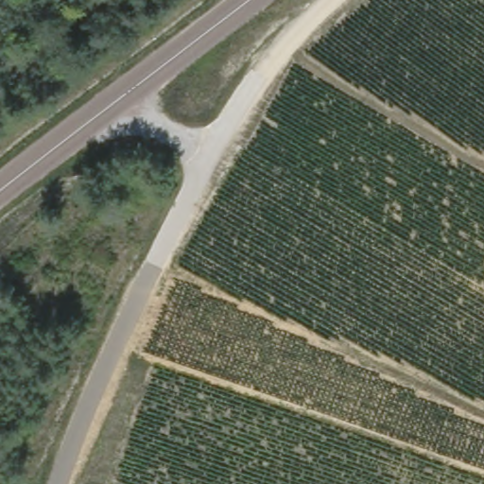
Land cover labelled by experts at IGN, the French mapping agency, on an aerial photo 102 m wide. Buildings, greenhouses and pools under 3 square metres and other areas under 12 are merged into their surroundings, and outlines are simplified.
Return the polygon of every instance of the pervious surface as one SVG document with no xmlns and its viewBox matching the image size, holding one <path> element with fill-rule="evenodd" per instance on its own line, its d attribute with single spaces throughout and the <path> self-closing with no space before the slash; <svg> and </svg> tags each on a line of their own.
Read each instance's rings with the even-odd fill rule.
<svg viewBox="0 0 484 484">
<path fill-rule="evenodd" d="M 299 15 L 291 26 L 287 26 L 268 47 L 261 62 L 238 83 L 225 108 L 206 127 L 185 127 L 172 121 L 163 113 L 161 96 L 157 98 L 149 93 L 144 102 L 127 108 L 127 112 L 117 117 L 121 125 L 129 125 L 134 119 L 146 121 L 147 125 L 164 130 L 170 142 L 180 146 L 183 183 L 172 206 L 164 217 L 163 225 L 155 236 L 146 259 L 151 265 L 161 267 L 161 276 L 166 272 L 166 268 L 170 267 L 172 257 L 176 255 L 197 229 L 204 212 L 200 208 L 200 199 L 210 183 L 214 166 L 219 161 L 221 153 L 238 132 L 246 129 L 257 104 L 265 96 L 265 91 L 287 66 L 289 64 L 293 53 L 308 42 L 312 32 L 320 28 L 323 21 L 327 21 L 348 0 L 314 0 L 312 4 L 306 4 L 304 13 Z"/>
<path fill-rule="evenodd" d="M 153 291 L 149 293 L 140 320 L 134 325 L 127 344 L 123 346 L 113 365 L 112 376 L 106 384 L 100 403 L 96 406 L 85 439 L 79 446 L 78 459 L 72 467 L 68 484 L 76 484 L 76 478 L 95 444 L 102 422 L 108 410 L 112 408 L 113 395 L 119 388 L 121 376 L 127 371 L 129 357 L 132 354 L 136 346 L 146 348 L 164 301 Z"/>
</svg>

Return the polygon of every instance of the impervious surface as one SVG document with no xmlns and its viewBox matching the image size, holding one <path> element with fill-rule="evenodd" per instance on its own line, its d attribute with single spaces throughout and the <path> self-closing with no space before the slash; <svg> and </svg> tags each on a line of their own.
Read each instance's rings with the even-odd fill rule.
<svg viewBox="0 0 484 484">
<path fill-rule="evenodd" d="M 113 130 L 119 129 L 121 125 L 117 117 L 127 112 L 127 108 L 144 102 L 149 93 L 157 98 L 161 96 L 166 85 L 170 85 L 178 78 L 183 70 L 187 70 L 212 47 L 216 47 L 217 43 L 223 42 L 236 28 L 248 23 L 261 11 L 265 11 L 268 4 L 274 0 L 219 0 L 206 13 L 202 13 L 195 21 L 191 21 L 180 30 L 174 38 L 170 38 L 157 51 L 149 53 L 146 59 L 140 60 L 129 72 L 119 76 L 104 91 L 93 96 L 76 112 L 70 113 L 57 127 L 43 134 L 40 140 L 30 144 L 23 153 L 19 153 L 15 159 L 11 159 L 0 168 L 0 210 L 11 200 L 17 199 L 21 193 L 25 193 L 34 183 L 45 180 L 55 168 L 59 168 L 60 164 L 72 159 L 81 149 L 87 147 L 89 142 L 106 140 Z"/>
<path fill-rule="evenodd" d="M 151 265 L 146 259 L 127 285 L 106 338 L 93 361 L 93 367 L 85 378 L 85 386 L 79 393 L 72 418 L 66 425 L 47 484 L 68 484 L 72 467 L 78 459 L 79 446 L 85 439 L 96 406 L 100 403 L 106 384 L 112 376 L 113 365 L 123 346 L 127 344 L 134 325 L 140 320 L 149 293 L 153 291 L 161 276 L 161 267 Z"/>
</svg>

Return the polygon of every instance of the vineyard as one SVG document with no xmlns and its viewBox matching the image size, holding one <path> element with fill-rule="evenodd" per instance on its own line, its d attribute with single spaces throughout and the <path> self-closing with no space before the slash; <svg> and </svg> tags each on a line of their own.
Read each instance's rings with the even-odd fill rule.
<svg viewBox="0 0 484 484">
<path fill-rule="evenodd" d="M 427 123 L 450 136 L 454 142 L 461 146 L 471 146 L 476 151 L 484 153 L 484 0 L 369 0 L 367 6 L 361 6 L 355 13 L 348 15 L 340 25 L 333 26 L 318 42 L 310 43 L 310 55 L 323 62 L 333 72 L 337 72 L 340 78 L 354 83 L 355 87 L 367 89 L 372 95 L 405 113 L 420 115 Z"/>
<path fill-rule="evenodd" d="M 146 348 L 136 346 L 132 354 L 138 355 L 147 363 L 157 363 L 157 367 L 147 386 L 146 397 L 140 405 L 136 423 L 130 431 L 125 458 L 119 463 L 119 484 L 484 484 L 484 422 L 461 418 L 446 406 L 416 397 L 412 389 L 382 380 L 378 372 L 346 363 L 342 355 L 320 350 L 304 337 L 282 331 L 274 327 L 270 321 L 244 312 L 231 302 L 221 301 L 217 297 L 202 293 L 199 285 L 180 280 L 170 287 L 168 297 L 164 301 Z"/>
<path fill-rule="evenodd" d="M 320 337 L 331 340 L 348 338 L 363 346 L 365 350 L 371 350 L 372 354 L 384 354 L 395 361 L 406 361 L 412 367 L 441 380 L 442 384 L 458 389 L 459 393 L 471 399 L 484 401 L 484 168 L 478 170 L 465 161 L 458 161 L 458 164 L 450 163 L 450 155 L 446 149 L 435 146 L 423 138 L 416 138 L 410 130 L 397 123 L 388 123 L 384 113 L 372 110 L 371 106 L 363 104 L 359 98 L 346 95 L 344 91 L 323 79 L 312 78 L 312 74 L 302 66 L 289 64 L 287 66 L 289 70 L 280 87 L 280 95 L 272 100 L 268 108 L 268 117 L 274 119 L 278 125 L 261 125 L 250 146 L 244 147 L 234 159 L 227 178 L 221 183 L 210 208 L 204 212 L 197 229 L 176 255 L 181 268 L 197 274 L 236 299 L 253 302 L 265 308 L 270 314 L 282 320 L 295 321 Z"/>
</svg>

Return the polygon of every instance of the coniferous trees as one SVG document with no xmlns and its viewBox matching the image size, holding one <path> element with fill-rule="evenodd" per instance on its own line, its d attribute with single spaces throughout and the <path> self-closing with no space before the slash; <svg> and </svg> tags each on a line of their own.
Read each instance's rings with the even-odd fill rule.
<svg viewBox="0 0 484 484">
<path fill-rule="evenodd" d="M 0 257 L 0 476 L 11 478 L 25 473 L 28 439 L 25 437 L 25 431 L 32 423 L 42 422 L 43 412 L 49 406 L 43 391 L 51 386 L 49 376 L 59 378 L 64 374 L 70 374 L 70 346 L 76 338 L 81 337 L 87 325 L 95 323 L 95 318 L 87 318 L 87 308 L 81 304 L 81 295 L 74 289 L 74 285 L 68 285 L 60 293 L 32 293 L 32 287 L 25 282 L 25 272 L 13 268 L 6 257 Z"/>
<path fill-rule="evenodd" d="M 91 199 L 93 208 L 102 210 L 112 200 L 125 202 L 129 197 L 144 195 L 166 199 L 172 206 L 183 183 L 180 146 L 170 142 L 164 130 L 147 125 L 146 121 L 134 119 L 129 125 L 121 125 L 119 129 L 113 130 L 106 140 L 89 142 L 87 147 L 81 149 L 72 159 L 74 174 L 78 176 L 79 191 L 83 191 Z"/>
<path fill-rule="evenodd" d="M 76 91 L 79 85 L 93 78 L 91 70 L 98 57 L 108 55 L 106 47 L 91 45 L 91 38 L 123 36 L 129 40 L 140 40 L 142 36 L 136 30 L 121 23 L 125 15 L 129 19 L 134 19 L 144 15 L 157 15 L 164 9 L 178 8 L 180 0 L 0 0 L 0 113 L 6 108 L 9 108 L 9 113 L 32 110 L 45 104 L 45 98 L 49 96 L 66 95 L 68 91 Z"/>
</svg>

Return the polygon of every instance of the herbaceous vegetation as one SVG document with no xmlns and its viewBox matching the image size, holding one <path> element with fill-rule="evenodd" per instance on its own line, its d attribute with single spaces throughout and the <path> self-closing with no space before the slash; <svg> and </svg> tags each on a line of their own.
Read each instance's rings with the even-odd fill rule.
<svg viewBox="0 0 484 484">
<path fill-rule="evenodd" d="M 127 285 L 146 259 L 155 236 L 163 225 L 164 217 L 172 206 L 166 199 L 144 195 L 129 197 L 125 202 L 112 200 L 102 210 L 93 208 L 91 199 L 83 191 L 79 191 L 78 176 L 74 174 L 72 159 L 60 164 L 59 168 L 55 168 L 45 180 L 34 183 L 25 193 L 21 193 L 17 199 L 11 200 L 0 210 L 0 257 L 6 257 L 13 268 L 25 272 L 25 282 L 32 287 L 32 293 L 60 293 L 68 285 L 74 285 L 74 289 L 81 295 L 81 304 L 87 308 L 87 318 L 95 318 L 95 323 L 87 325 L 81 337 L 76 338 L 70 346 L 70 374 L 64 374 L 59 378 L 49 376 L 51 386 L 43 391 L 49 406 L 43 412 L 42 422 L 32 423 L 25 431 L 25 437 L 28 439 L 25 473 L 11 478 L 0 476 L 0 484 L 47 484 L 66 425 L 72 418 L 79 393 L 85 386 L 85 378 L 93 367 L 93 361 L 106 338 Z"/>
<path fill-rule="evenodd" d="M 76 112 L 93 96 L 104 91 L 119 76 L 129 72 L 140 60 L 146 59 L 149 53 L 157 51 L 170 38 L 174 38 L 180 30 L 191 21 L 195 21 L 202 13 L 206 13 L 219 0 L 180 0 L 178 8 L 164 9 L 157 15 L 144 15 L 134 19 L 129 19 L 125 15 L 121 23 L 136 30 L 142 36 L 140 40 L 129 40 L 123 36 L 91 38 L 91 45 L 106 47 L 108 55 L 98 57 L 91 70 L 93 78 L 79 85 L 76 91 L 68 91 L 66 95 L 49 96 L 45 98 L 45 104 L 32 110 L 9 113 L 9 108 L 6 108 L 0 113 L 0 168 L 11 159 L 15 159 L 19 153 L 23 153 L 30 144 L 40 140 L 43 134 L 57 127 L 70 113 Z"/>
<path fill-rule="evenodd" d="M 299 15 L 304 13 L 306 4 L 312 4 L 314 0 L 274 0 L 268 4 L 265 11 L 261 11 L 248 23 L 236 28 L 223 42 L 217 43 L 216 47 L 212 47 L 187 70 L 183 70 L 178 78 L 170 85 L 166 85 L 161 96 L 163 113 L 172 121 L 185 127 L 206 127 L 225 108 L 238 83 L 261 62 L 268 47 L 287 26 L 291 26 Z"/>
<path fill-rule="evenodd" d="M 427 123 L 420 115 L 405 113 L 372 95 L 367 89 L 355 87 L 354 83 L 340 78 L 337 72 L 333 72 L 323 62 L 310 55 L 310 43 L 318 42 L 333 26 L 340 25 L 348 15 L 355 13 L 361 6 L 367 6 L 369 0 L 348 0 L 327 21 L 323 21 L 320 28 L 312 32 L 308 42 L 293 53 L 289 64 L 302 66 L 312 74 L 312 78 L 323 79 L 344 91 L 346 95 L 359 98 L 363 104 L 371 106 L 372 110 L 384 113 L 388 123 L 397 123 L 410 130 L 416 138 L 423 138 L 435 146 L 446 149 L 450 155 L 450 163 L 458 164 L 458 161 L 465 161 L 478 170 L 484 168 L 484 153 L 476 151 L 471 146 L 461 146 L 454 142 L 450 136 Z"/>
<path fill-rule="evenodd" d="M 268 108 L 272 100 L 280 95 L 280 87 L 289 70 L 287 66 L 265 91 L 265 96 L 257 104 L 246 129 L 238 132 L 221 153 L 219 161 L 214 166 L 210 183 L 200 199 L 200 208 L 204 212 L 210 208 L 221 183 L 227 178 L 234 159 L 244 147 L 250 146 L 261 125 L 278 125 L 274 119 L 268 117 Z"/>
<path fill-rule="evenodd" d="M 282 320 L 270 314 L 265 308 L 253 302 L 236 299 L 197 274 L 181 268 L 176 255 L 172 257 L 170 267 L 166 268 L 166 272 L 161 276 L 153 291 L 164 301 L 168 297 L 170 287 L 180 280 L 199 285 L 202 293 L 217 297 L 221 301 L 231 302 L 244 312 L 270 321 L 274 327 L 282 331 L 304 337 L 320 350 L 342 355 L 346 363 L 378 372 L 382 380 L 412 389 L 416 397 L 446 406 L 461 418 L 484 422 L 484 401 L 471 399 L 459 393 L 458 389 L 442 384 L 441 380 L 412 367 L 406 361 L 395 361 L 384 354 L 372 354 L 371 350 L 365 350 L 363 346 L 348 338 L 331 340 L 320 337 L 295 321 Z"/>
<path fill-rule="evenodd" d="M 108 410 L 102 422 L 95 444 L 76 478 L 76 484 L 119 484 L 119 463 L 125 458 L 130 431 L 136 423 L 140 405 L 146 397 L 147 386 L 157 367 L 157 363 L 147 363 L 138 355 L 132 354 L 129 357 L 127 371 L 121 376 L 119 388 L 113 395 L 112 408 Z"/>
</svg>

